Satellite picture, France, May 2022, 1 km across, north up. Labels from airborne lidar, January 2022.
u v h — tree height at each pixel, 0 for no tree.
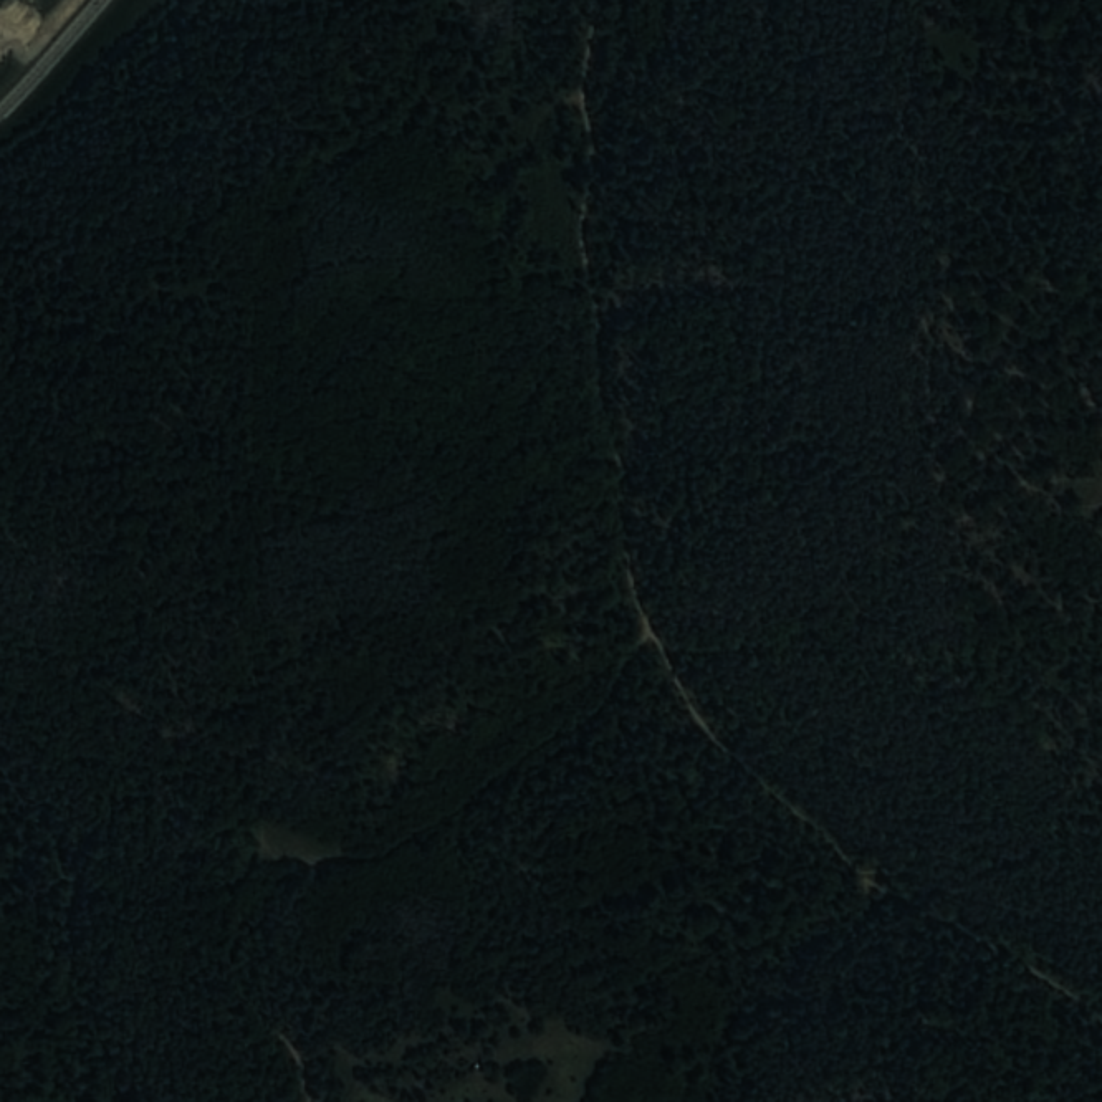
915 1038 36
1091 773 24
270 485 12
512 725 15
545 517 31
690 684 21
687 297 20
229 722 22
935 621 22
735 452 25
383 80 23
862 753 28
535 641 31
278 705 15
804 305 24
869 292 9
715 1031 15
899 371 22
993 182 32
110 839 24
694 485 31
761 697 18
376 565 28
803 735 18
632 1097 20
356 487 24
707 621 23
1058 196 15
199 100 19
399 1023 17
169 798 19
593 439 24
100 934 28
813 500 26
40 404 13
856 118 23
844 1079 29
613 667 10
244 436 23
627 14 15
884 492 21
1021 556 15
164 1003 23
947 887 28
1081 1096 29
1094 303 12
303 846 0
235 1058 25
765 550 23
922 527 20
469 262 15
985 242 26
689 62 24
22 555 15
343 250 20
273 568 21
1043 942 26
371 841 18
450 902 21
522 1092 12
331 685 13
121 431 22
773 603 26
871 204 27
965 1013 32
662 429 19
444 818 14
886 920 28
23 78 0
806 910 30
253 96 33
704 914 37
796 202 25
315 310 20
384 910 20
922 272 17
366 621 22
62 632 22
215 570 18
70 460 12
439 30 20
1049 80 19
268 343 19
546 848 14
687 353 21
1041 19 36
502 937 18
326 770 23
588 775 33
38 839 25
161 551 21
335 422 19
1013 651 10
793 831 28
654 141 20
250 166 29
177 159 24
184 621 21
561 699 14
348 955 24
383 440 19
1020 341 17
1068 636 10
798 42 24
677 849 9
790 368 26
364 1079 20
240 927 20
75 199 20
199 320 23
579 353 25
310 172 20
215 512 12
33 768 23
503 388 18
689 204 23
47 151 18
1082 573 10
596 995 19
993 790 20
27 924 18
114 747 18
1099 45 35
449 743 16
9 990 17
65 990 23
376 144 16
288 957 15
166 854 24
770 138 28
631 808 19
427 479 20
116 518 25
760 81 21
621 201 16
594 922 14
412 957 17
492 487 17
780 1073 31
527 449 21
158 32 11
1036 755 21
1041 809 24
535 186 0
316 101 22
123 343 23
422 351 22
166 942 22
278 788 23
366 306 20
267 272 12
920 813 24
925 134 26
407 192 18
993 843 22
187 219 10
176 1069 24
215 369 19
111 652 27
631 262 34
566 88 22
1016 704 20
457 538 19
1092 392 22
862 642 21
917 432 10
